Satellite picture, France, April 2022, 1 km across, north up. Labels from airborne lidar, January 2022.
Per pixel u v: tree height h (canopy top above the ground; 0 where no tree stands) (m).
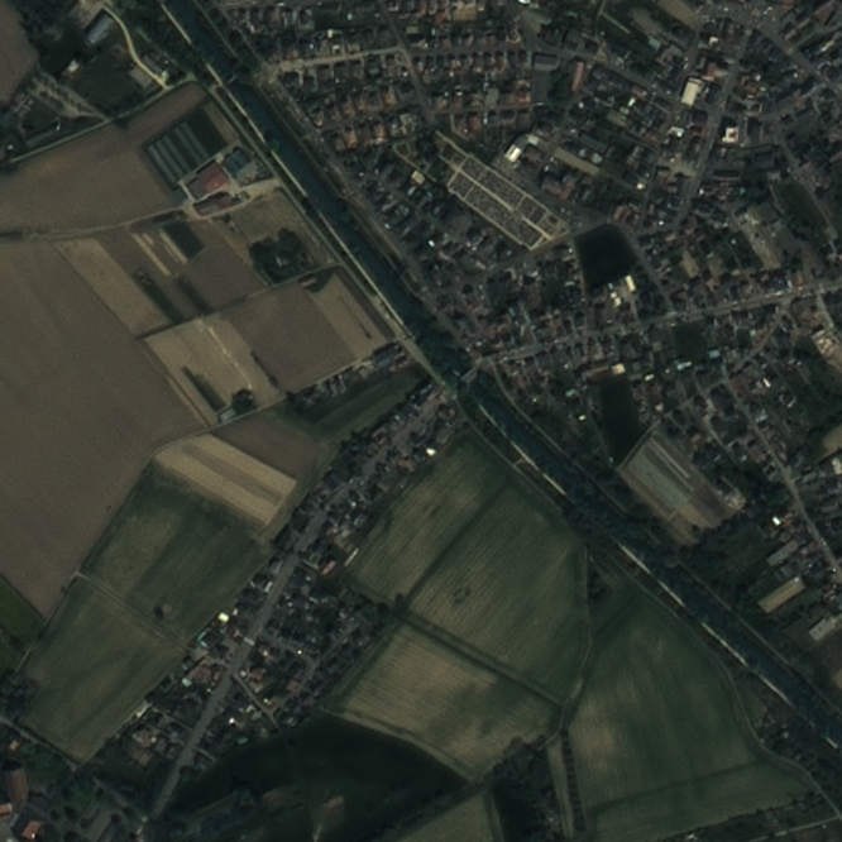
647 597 0
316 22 0
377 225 0
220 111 0
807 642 0
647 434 0
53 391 0
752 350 0
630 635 0
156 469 0
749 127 0
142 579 0
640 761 0
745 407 0
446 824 0
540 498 0
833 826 0
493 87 0
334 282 0
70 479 0
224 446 0
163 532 0
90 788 23
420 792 0
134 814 12
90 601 0
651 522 7
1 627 0
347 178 0
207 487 0
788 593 0
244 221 0
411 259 0
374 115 0
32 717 0
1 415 0
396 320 0
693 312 0
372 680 0
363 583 0
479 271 0
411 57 0
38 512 0
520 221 0
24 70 0
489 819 0
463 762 0
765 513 7
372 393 0
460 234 0
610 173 0
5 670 0
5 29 0
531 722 0
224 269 0
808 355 10
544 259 0
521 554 0
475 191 0
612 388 0
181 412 0
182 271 0
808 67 0
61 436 0
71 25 0
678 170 0
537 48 0
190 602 0
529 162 8
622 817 0
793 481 0
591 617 0
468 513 0
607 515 26
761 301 0
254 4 0
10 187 0
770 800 0
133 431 0
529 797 9
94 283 0
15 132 8
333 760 0
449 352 0
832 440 0
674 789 0
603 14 0
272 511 0
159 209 0
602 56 0
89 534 0
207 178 0
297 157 0
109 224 0
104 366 0
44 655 0
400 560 0
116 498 0
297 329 0
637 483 0
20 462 0
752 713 0
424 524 0
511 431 7
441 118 0
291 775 0
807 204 0
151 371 0
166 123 0
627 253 0
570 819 0
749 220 0
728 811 0
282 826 0
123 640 0
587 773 0
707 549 9
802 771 0
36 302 0
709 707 0
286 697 0
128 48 0
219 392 0
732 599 6
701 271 0
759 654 0
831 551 0
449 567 0
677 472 0
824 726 16
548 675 0
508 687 0
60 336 0
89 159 0
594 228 0
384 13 0
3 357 0
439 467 0
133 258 0
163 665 0
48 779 0
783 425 0
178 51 19
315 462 0
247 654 0
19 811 0
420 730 0
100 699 0
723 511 0
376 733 0
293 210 0
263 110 0
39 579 0
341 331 0
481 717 0
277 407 0
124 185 0
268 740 0
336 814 0
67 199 0
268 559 0
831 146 13
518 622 0
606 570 0
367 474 0
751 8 0
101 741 0
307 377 0
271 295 0
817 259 0
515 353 0
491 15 6
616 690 0
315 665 0
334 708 0
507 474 0
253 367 0
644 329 0
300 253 0
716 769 0
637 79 0
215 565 0
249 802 10
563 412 0
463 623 0
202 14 7
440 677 0
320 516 0
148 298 0
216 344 0
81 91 0
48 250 0
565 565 0
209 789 0
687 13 0
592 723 0
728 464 7
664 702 0
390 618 14
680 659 0
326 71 0
